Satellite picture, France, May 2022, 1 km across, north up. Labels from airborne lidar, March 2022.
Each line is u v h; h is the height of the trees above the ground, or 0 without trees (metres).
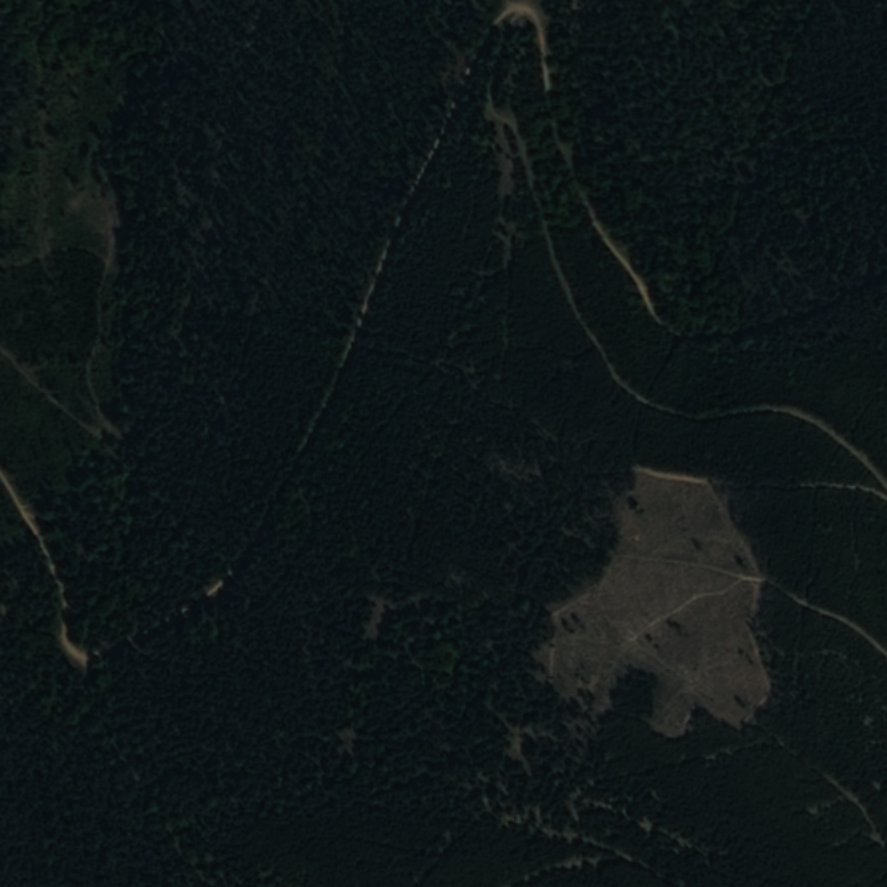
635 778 8
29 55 28
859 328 19
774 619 13
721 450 8
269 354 12
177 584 24
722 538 0
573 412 17
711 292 31
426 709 18
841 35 20
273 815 15
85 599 27
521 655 25
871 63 13
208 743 27
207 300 25
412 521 16
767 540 13
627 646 0
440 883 13
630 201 31
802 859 12
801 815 11
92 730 13
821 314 21
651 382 10
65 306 11
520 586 17
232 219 32
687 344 16
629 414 15
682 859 11
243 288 33
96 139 35
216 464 23
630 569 0
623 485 20
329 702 24
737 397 8
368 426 14
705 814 15
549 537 21
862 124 22
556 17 28
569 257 11
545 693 21
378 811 14
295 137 29
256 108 38
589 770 14
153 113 38
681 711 0
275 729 23
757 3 32
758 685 0
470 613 17
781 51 26
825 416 9
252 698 23
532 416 17
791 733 10
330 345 10
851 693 7
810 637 8
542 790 11
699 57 36
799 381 9
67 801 16
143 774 30
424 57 35
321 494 22
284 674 29
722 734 10
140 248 29
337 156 29
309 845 14
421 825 16
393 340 16
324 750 23
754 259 24
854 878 10
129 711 22
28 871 24
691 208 30
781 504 11
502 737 23
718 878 14
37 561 26
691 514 0
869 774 8
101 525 28
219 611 27
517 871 11
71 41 24
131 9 17
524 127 12
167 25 35
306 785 18
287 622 23
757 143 17
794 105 18
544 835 14
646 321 14
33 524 0
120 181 27
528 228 8
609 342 13
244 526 19
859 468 7
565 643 0
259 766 23
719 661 0
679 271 24
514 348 9
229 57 34
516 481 17
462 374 13
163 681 27
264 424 23
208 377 28
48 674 26
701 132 26
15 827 28
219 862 11
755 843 16
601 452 17
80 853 22
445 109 25
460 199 10
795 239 20
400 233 20
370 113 32
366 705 19
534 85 15
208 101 28
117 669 27
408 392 13
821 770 9
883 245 22
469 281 9
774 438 9
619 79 38
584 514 19
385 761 14
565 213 17
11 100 36
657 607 0
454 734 26
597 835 11
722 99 31
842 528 6
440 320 12
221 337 21
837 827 8
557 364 14
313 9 33
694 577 0
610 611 0
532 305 12
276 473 25
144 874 13
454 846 12
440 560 14
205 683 23
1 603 16
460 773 19
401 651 13
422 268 12
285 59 29
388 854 15
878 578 7
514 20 0
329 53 29
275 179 32
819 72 18
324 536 15
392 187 8
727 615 0
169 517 24
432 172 12
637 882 19
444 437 15
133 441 14
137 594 24
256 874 14
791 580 14
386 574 16
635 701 11
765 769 9
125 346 9
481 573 15
